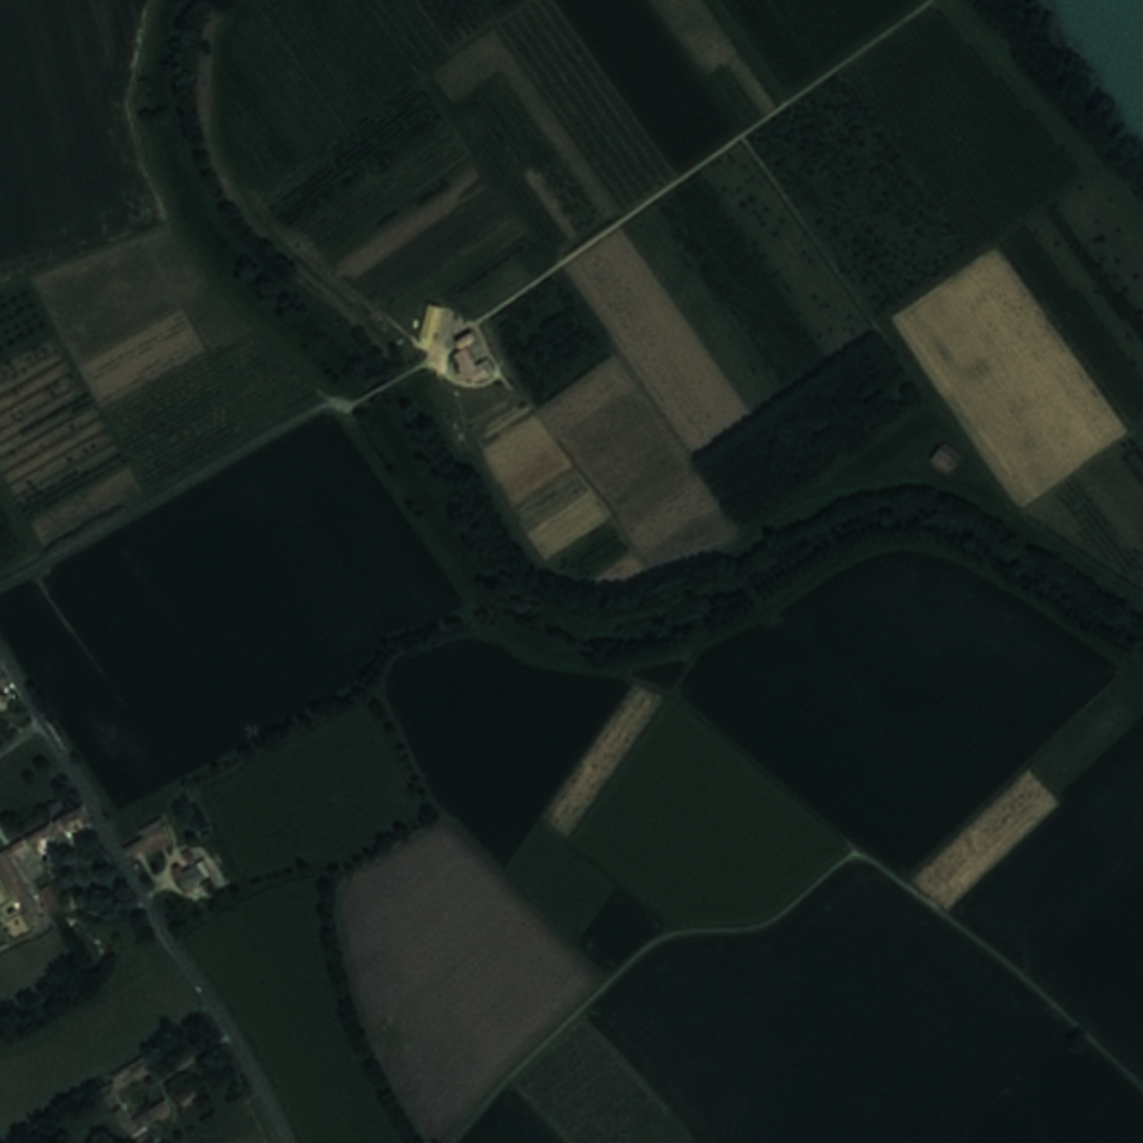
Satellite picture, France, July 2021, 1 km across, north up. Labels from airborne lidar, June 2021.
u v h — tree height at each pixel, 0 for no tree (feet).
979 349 0
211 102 0
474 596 0
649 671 0
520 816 0
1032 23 79
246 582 0
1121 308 25
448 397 0
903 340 0
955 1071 0
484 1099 0
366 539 0
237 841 0
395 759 0
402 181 0
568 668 0
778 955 0
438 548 0
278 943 0
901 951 0
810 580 0
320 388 0
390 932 0
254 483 0
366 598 0
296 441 0
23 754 0
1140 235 0
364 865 36
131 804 0
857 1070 0
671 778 0
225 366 0
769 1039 0
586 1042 0
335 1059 0
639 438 0
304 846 0
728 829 0
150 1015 0
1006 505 0
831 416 55
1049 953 0
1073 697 0
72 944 41
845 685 0
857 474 0
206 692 0
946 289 0
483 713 0
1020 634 0
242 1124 0
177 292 0
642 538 0
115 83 0
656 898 0
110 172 0
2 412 0
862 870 0
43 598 0
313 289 0
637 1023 0
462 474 83
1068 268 0
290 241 0
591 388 0
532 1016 0
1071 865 0
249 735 0
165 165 0
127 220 0
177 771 0
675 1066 0
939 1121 0
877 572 0
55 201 0
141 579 0
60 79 0
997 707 0
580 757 0
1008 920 0
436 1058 0
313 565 0
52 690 0
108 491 0
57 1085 0
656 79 0
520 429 0
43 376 0
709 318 0
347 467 0
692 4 0
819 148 27
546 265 0
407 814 0
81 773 0
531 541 0
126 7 0
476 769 0
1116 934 0
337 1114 0
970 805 0
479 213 0
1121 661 0
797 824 0
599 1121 0
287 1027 0
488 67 0
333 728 0
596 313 0
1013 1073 0
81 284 0
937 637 0
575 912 0
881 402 49
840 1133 0
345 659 0
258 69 0
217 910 43
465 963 0
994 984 0
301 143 0
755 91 0
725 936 0
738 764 0
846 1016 0
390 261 0
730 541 0
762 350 19
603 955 0
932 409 0
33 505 22
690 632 41
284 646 0
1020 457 0
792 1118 0
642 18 0
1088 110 75
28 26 0
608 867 0
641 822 0
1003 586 0
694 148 0
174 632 0
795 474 52
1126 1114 0
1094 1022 0
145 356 0
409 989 0
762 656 0
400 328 0
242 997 0
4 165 0
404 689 0
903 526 56
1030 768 0
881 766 0
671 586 91
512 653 0
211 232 0
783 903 0
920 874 0
